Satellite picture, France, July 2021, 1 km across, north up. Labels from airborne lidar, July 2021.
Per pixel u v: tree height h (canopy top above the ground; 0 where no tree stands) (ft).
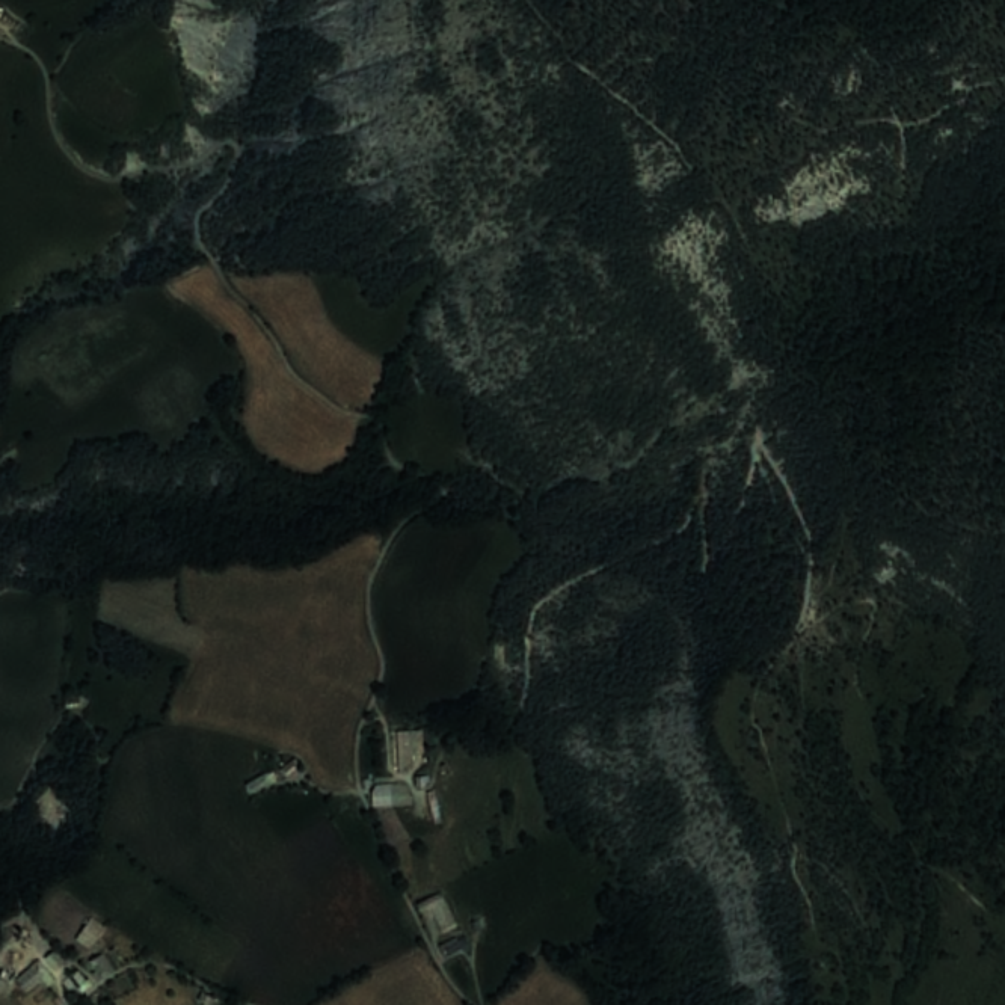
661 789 18
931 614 26
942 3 34
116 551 75
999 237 66
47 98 0
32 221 0
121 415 0
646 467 19
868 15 48
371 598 0
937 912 29
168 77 0
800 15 35
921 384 58
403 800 0
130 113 0
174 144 19
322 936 0
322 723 0
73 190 0
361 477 34
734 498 21
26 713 0
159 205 23
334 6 0
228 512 69
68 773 53
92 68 0
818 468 23
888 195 29
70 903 0
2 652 0
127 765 0
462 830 0
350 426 0
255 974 0
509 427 20
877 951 35
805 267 27
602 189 21
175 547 50
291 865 0
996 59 32
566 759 20
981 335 46
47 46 0
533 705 19
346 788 0
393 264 31
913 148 22
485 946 0
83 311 0
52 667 0
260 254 43
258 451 43
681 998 46
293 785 34
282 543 69
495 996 40
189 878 0
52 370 0
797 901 21
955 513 32
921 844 60
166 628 0
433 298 40
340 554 0
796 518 32
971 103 27
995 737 22
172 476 21
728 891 0
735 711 0
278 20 22
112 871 0
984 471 48
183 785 0
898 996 33
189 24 0
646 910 63
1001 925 0
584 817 34
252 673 0
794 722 27
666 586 40
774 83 36
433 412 0
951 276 62
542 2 29
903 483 50
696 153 17
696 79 34
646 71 28
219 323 0
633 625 18
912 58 22
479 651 0
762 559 48
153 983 22
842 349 79
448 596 0
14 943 0
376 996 0
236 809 0
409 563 0
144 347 0
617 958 63
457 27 0
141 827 0
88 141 0
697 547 28
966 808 44
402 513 60
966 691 34
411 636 0
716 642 44
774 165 23
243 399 36
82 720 39
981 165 45
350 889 0
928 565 19
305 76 34
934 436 37
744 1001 23
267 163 22
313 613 0
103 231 0
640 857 19
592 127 27
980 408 48
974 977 0
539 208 18
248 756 0
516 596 20
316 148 25
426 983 0
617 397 19
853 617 32
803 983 31
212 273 0
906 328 83
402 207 18
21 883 46
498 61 19
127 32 0
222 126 27
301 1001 0
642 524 39
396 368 67
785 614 35
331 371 0
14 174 0
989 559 28
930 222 35
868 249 51
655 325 24
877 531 22
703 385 20
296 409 0
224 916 0
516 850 19
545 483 27
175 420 0
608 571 21
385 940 0
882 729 32
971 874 39
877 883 18
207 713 0
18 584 42
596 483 26
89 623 0
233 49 0
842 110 18
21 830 56
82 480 41
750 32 60
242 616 0
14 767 0
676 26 39
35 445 0
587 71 20
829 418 48
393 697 0
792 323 27
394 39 0
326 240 39
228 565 35
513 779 0
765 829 29
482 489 37
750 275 19
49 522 64
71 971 29
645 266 21
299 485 41
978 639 37
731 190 24
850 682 34
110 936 0
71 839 54
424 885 0
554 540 19
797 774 22
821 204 0
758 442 0
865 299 62
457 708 78
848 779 30
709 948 19
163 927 0
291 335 0
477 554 0
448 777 0
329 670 0
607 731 20
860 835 27
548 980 0
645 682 25
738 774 28
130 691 0
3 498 30
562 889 0
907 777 40
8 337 48
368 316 0
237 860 0
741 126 42
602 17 33
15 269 0
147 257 31
